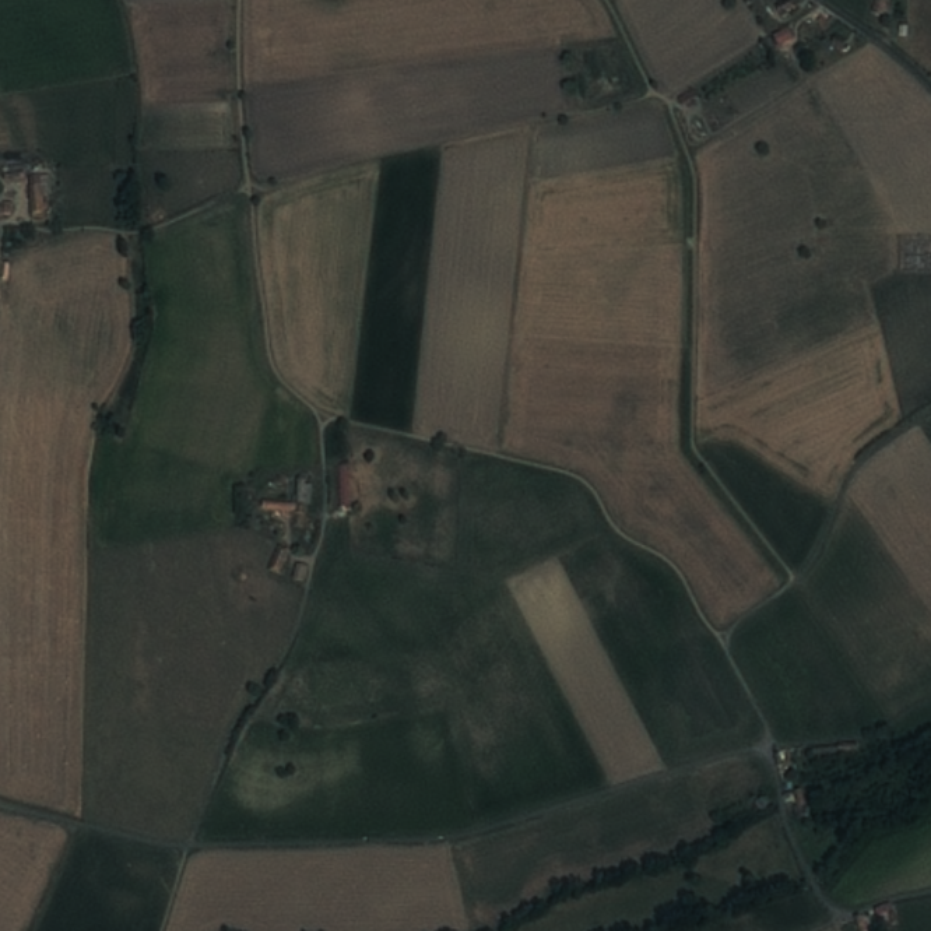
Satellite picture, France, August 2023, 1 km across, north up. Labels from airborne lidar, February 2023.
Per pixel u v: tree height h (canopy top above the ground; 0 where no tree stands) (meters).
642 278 0
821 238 0
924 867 0
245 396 0
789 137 0
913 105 0
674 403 0
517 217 0
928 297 0
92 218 0
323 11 0
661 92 0
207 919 0
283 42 0
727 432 0
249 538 0
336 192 0
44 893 0
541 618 0
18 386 0
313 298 0
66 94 0
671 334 0
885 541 0
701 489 0
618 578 0
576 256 0
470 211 0
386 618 0
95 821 0
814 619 0
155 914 0
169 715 0
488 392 0
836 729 0
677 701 0
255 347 0
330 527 0
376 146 0
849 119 0
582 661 0
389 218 0
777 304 0
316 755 0
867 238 0
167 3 0
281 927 0
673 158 0
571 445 0
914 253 0
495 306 0
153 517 0
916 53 0
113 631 0
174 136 0
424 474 0
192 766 0
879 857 0
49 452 0
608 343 0
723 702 0
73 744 0
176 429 0
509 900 0
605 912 0
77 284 0
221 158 0
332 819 0
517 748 0
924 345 0
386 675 0
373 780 0
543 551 0
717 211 0
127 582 0
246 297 0
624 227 0
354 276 0
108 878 0
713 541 0
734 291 0
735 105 0
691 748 0
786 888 24
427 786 0
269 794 0
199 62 0
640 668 0
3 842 0
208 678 0
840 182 0
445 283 0
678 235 0
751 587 0
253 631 0
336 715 0
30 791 0
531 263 0
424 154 0
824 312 0
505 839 0
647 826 0
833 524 0
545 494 0
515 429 0
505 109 0
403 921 0
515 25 0
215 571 0
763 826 0
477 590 0
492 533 0
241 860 0
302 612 0
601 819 0
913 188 0
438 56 0
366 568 0
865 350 0
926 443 0
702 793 0
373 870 0
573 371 0
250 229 0
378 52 0
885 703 0
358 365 0
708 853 13
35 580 0
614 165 0
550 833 0
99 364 0
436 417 0
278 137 0
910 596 0
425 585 0
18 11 0
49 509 0
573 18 0
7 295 0
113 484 0
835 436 0
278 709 0
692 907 19
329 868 0
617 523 0
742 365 0
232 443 0
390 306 0
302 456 0
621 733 0
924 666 0
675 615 0
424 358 0
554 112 0
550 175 0
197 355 0
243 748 0
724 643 0
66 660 0
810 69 12
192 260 0
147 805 0
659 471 0
